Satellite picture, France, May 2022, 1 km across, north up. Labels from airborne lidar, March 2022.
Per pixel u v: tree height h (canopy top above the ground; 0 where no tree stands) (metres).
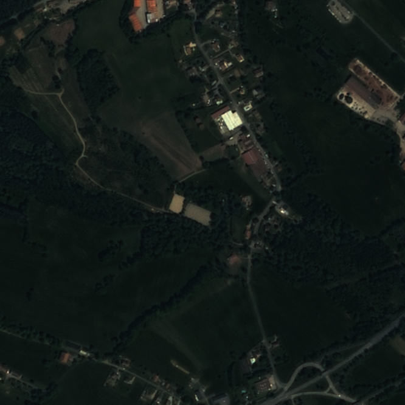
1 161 19
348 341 20
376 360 0
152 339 0
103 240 0
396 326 0
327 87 0
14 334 0
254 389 6
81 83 20
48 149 20
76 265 0
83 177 0
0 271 0
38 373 0
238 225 0
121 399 0
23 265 0
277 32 0
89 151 0
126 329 0
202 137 0
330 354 0
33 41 0
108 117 0
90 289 0
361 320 7
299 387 0
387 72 0
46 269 0
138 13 0
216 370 0
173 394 0
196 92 0
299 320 0
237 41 0
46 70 0
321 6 0
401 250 15
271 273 0
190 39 0
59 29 0
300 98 0
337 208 0
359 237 11
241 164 0
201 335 0
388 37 0
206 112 0
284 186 11
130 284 0
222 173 0
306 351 0
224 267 23
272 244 24
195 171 0
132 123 0
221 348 0
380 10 0
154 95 0
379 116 0
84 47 0
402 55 0
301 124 0
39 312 0
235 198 17
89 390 0
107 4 0
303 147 14
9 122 24
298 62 0
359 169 0
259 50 0
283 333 0
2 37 0
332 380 0
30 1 26
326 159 0
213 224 14
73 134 0
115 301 0
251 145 0
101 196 16
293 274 17
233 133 0
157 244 23
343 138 0
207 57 0
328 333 0
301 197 12
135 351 0
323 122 0
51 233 0
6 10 31
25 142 26
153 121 0
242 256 0
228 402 0
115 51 0
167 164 0
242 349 0
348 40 0
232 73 0
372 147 0
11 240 0
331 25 0
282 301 0
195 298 0
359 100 0
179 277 0
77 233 0
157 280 0
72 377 0
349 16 0
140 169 0
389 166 0
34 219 0
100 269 0
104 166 0
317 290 0
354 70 0
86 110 0
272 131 0
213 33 0
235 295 0
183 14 14
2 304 0
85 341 0
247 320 0
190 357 0
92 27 0
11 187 18
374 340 0
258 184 0
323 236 21
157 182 0
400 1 0
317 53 0
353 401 0
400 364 0
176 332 0
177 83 0
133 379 0
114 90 12
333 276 17
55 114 0
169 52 0
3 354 0
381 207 0
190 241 23
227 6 0
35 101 0
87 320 0
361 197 0
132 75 0
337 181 0
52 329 0
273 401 0
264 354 8
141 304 0
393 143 13
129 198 0
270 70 0
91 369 0
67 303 0
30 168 31
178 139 0
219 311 0
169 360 0
